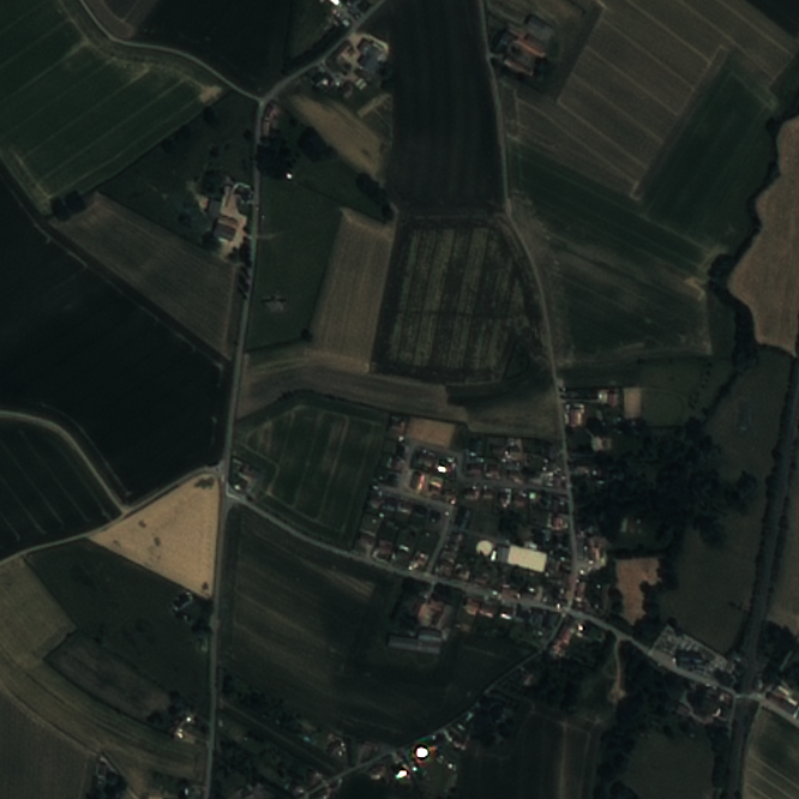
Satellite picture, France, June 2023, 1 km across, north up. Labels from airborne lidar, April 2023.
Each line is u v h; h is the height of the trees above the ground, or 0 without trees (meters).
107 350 0
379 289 0
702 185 0
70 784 0
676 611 0
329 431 0
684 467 18
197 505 0
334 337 0
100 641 8
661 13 0
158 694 0
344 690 0
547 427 0
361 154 0
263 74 0
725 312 0
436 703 0
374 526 0
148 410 0
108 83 0
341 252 0
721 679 19
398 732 0
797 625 0
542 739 0
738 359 17
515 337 0
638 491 12
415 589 10
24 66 0
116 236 0
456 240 0
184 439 0
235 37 0
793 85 0
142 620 0
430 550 0
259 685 0
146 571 0
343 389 0
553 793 0
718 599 0
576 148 0
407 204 0
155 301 0
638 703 19
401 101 0
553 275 0
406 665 0
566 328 0
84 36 0
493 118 0
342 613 0
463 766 0
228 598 0
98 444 0
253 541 0
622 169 0
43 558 0
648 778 0
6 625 0
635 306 0
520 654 0
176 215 0
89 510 0
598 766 0
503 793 0
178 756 0
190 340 0
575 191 0
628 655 16
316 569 0
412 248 0
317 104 0
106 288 0
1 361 0
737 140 0
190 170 0
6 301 0
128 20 0
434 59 0
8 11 0
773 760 0
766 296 0
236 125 0
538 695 12
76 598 0
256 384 0
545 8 0
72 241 0
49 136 0
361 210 0
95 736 0
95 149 0
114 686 0
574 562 0
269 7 0
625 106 0
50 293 0
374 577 0
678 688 14
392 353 0
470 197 0
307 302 0
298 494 0
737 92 0
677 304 0
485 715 16
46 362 0
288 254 0
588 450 9
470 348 0
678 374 0
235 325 0
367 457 0
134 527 0
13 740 0
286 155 13
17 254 0
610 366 0
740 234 0
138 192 0
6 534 0
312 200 0
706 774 0
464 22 0
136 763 0
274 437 0
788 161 0
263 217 0
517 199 0
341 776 0
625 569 0
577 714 0
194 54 0
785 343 0
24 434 0
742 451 0
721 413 0
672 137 0
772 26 0
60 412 0
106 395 0
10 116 0
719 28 0
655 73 0
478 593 0
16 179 0
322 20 0
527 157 0
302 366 0
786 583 0
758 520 0
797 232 0
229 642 0
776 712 0
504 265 0
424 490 0
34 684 0
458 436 0
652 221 0
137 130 0
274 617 0
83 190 0
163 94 0
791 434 0
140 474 0
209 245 13
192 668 0
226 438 0
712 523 26
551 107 0
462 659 0
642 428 19
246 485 0
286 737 0
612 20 0
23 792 0
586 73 0
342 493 0
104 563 0
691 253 0
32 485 0
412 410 0
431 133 0
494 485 0
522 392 0
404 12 0
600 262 0
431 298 0
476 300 0
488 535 0
